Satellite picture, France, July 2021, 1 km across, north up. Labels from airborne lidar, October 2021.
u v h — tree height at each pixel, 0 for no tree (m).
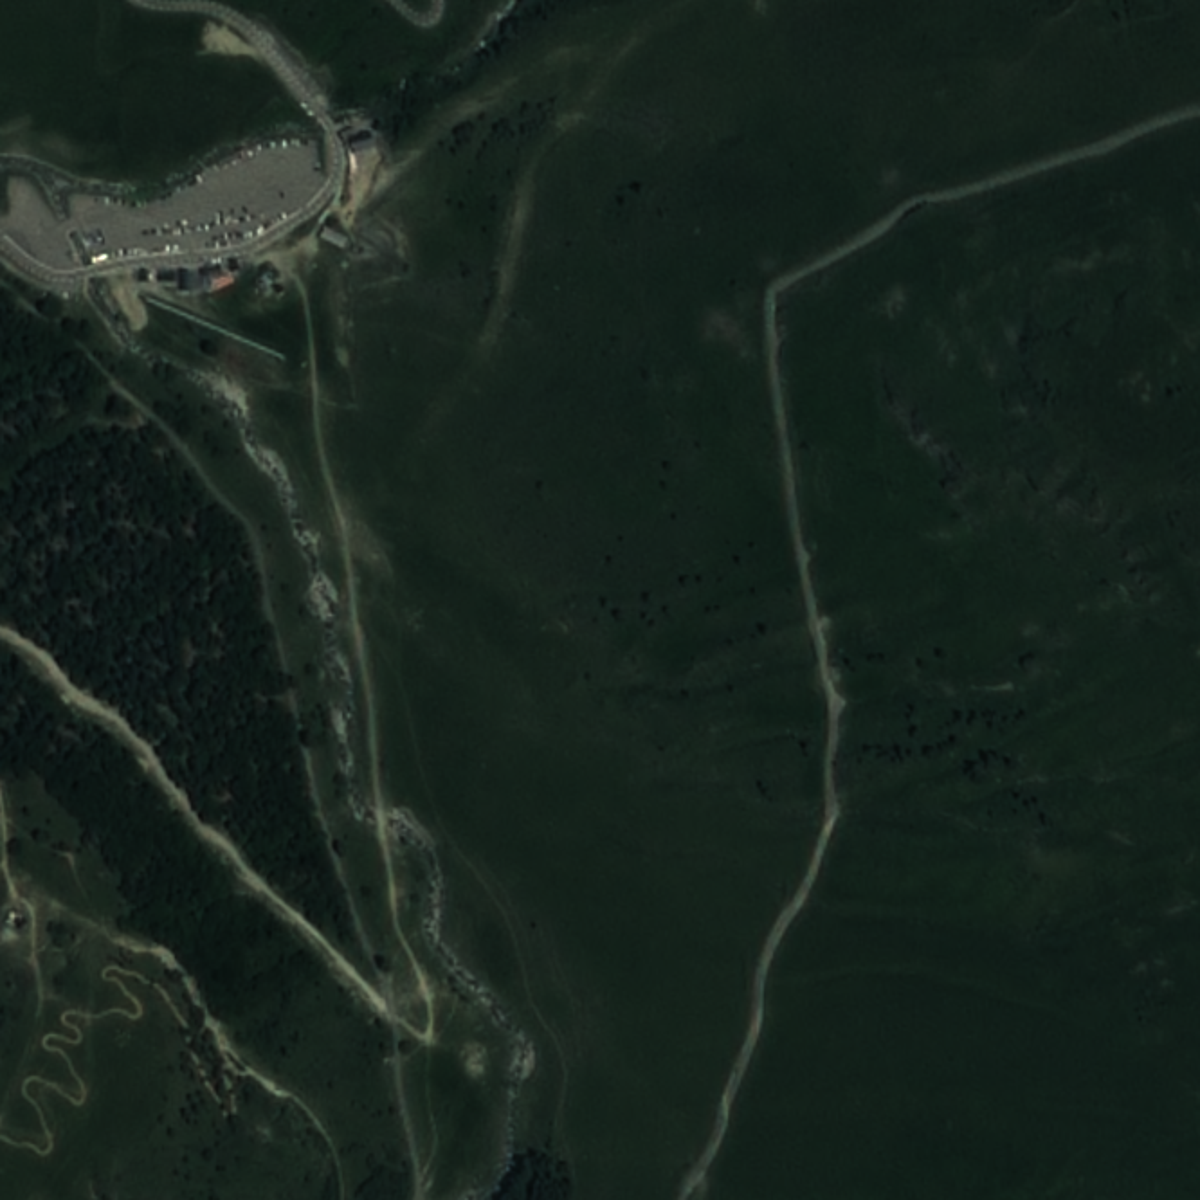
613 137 0
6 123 0
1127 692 0
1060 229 0
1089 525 0
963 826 0
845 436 0
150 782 20
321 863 13
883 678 0
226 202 0
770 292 0
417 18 0
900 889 0
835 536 0
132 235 0
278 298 0
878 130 0
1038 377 0
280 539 0
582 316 0
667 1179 0
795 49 0
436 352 0
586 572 0
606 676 0
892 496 0
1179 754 0
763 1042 0
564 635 0
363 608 0
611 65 0
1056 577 0
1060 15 0
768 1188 0
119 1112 0
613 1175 0
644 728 0
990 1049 0
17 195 0
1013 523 0
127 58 0
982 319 0
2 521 13
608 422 0
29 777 11
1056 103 0
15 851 10
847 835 0
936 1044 0
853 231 0
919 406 0
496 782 0
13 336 21
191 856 15
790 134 0
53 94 0
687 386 0
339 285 0
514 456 0
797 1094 0
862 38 0
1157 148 0
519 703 0
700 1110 0
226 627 16
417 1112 0
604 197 0
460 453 0
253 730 17
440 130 0
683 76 0
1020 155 0
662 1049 0
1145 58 0
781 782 0
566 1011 0
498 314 0
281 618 0
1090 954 0
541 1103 0
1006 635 0
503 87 0
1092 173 0
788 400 0
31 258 0
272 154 0
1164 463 0
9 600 17
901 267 0
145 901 12
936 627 0
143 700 27
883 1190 0
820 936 0
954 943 0
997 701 0
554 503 0
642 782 0
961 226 0
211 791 21
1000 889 0
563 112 0
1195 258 0
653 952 0
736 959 0
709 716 0
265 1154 0
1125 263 0
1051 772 0
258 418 0
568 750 0
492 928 0
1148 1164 0
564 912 0
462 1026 0
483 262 0
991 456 0
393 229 0
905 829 0
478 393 0
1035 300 0
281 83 0
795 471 0
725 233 0
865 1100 0
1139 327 0
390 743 0
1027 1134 0
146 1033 0
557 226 0
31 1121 0
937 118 0
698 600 0
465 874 0
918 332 0
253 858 12
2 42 0
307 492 0
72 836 0
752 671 0
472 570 0
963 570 0
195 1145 0
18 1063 0
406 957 0
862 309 0
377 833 0
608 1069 0
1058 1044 0
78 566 17
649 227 0
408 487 0
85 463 28
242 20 0
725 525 0
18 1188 0
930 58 0
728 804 0
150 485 17
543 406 0
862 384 0
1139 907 0
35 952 0
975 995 0
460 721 0
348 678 0
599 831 0
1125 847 0
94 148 0
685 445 0
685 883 0
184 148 0
